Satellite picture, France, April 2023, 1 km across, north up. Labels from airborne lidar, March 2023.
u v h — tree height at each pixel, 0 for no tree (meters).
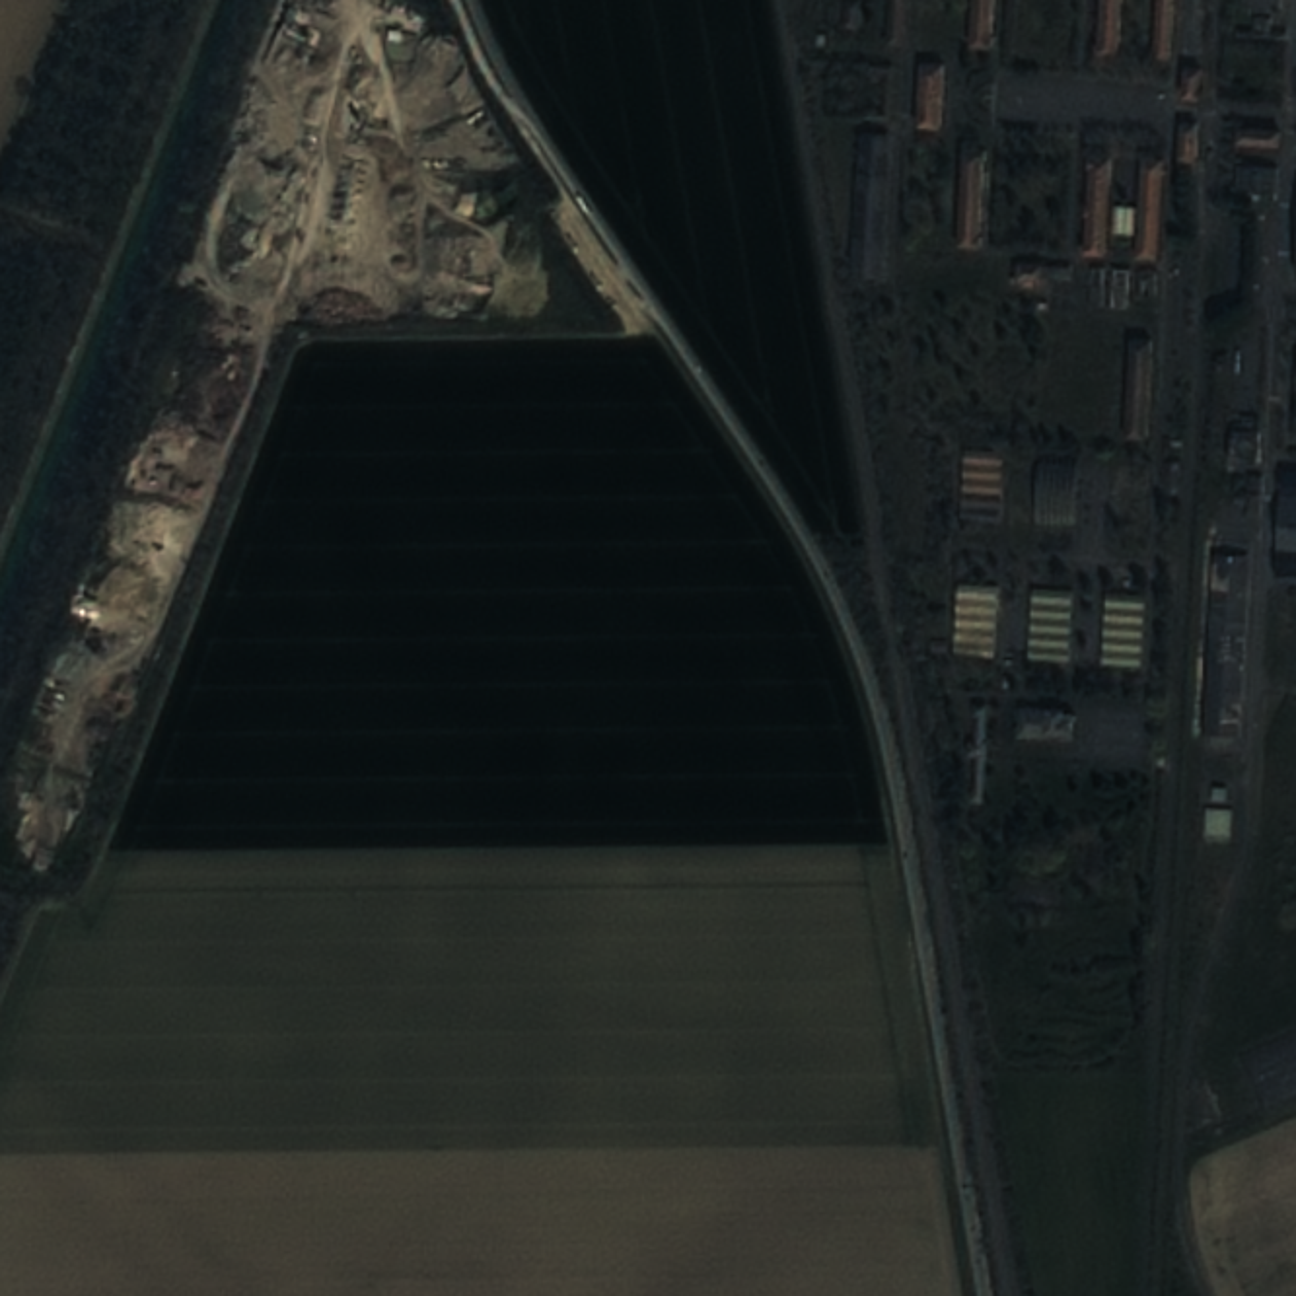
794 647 0
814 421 0
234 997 0
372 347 0
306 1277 0
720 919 0
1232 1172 0
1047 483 0
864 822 0
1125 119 0
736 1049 0
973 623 0
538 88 0
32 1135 0
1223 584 0
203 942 0
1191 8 0
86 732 0
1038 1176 0
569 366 0
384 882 0
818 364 0
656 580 0
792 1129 0
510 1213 0
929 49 0
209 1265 0
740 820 0
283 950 0
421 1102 0
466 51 6
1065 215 10
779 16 0
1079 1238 0
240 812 0
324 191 0
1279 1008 0
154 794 0
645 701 0
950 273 0
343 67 0
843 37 6
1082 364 0
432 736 0
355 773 0
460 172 0
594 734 0
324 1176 0
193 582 6
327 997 0
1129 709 0
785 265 0
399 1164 0
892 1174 0
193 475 0
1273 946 0
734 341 0
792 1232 0
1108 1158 0
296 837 0
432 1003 0
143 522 0
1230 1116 0
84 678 0
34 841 0
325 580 0
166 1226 0
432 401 0
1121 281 0
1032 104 0
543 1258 0
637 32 0
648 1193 0
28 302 17
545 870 0
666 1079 0
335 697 0
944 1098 0
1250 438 0
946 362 6
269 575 0
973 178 0
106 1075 0
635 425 0
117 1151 0
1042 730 0
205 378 0
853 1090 0
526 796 0
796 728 0
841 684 0
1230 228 0
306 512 0
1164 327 0
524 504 0
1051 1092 0
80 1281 0
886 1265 0
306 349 0
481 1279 0
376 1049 0
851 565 8
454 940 0
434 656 0
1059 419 0
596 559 0
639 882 0
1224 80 9
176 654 11
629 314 0
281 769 0
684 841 0
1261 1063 0
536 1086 0
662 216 0
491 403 0
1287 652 0
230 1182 0
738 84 0
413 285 0
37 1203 0
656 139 0
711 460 0
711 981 0
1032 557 0
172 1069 0
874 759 0
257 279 0
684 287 0
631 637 0
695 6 0
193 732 0
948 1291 0
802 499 0
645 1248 0
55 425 0
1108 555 0
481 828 0
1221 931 0
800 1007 0
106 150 15
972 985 8
